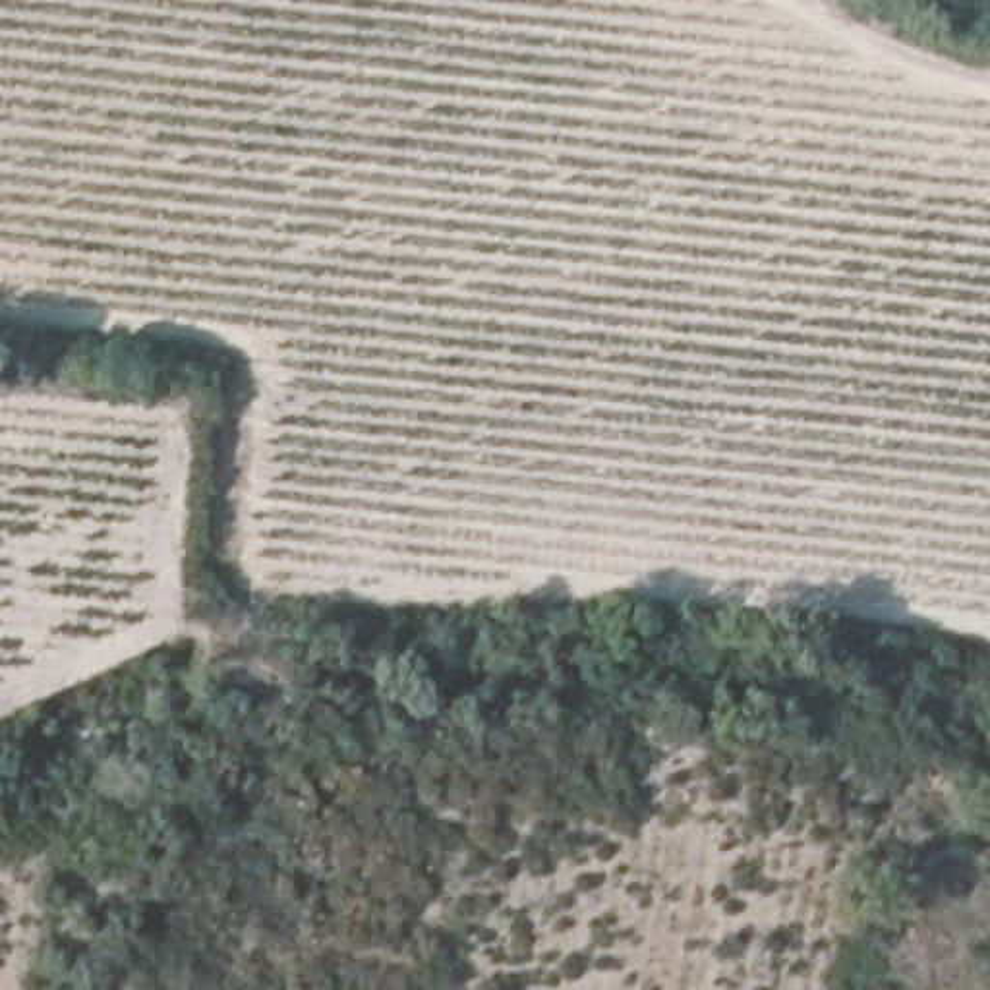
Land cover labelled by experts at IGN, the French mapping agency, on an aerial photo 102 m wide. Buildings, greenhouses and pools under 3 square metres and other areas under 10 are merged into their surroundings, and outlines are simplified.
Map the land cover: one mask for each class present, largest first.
<instances>
[{"label":"vineyard","instance_id":"1","mask_svg":"<svg viewBox=\"0 0 990 990\"><path fill-rule=\"evenodd\" d=\"M0 286L23 294H62L97 302L104 309V329L182 325L209 333L248 356L255 398L240 418V480L232 487L236 526L228 538V557L240 565L255 592H348L375 603H476L526 596L545 588L549 580H561L568 596L580 599L615 588H634L646 580L654 572L673 568L708 580V592L739 596L750 607L770 603L777 584H855L859 576H878L889 580V588L905 599L909 611L917 619L936 623L944 607L990 615V66H959L944 54L909 46L893 39L882 23L847 19L831 0H0ZM193 449L186 398L143 406L50 394L46 387L0 391V719L77 681L116 669L120 661L151 646L178 638V623L186 619L182 561Z\"/></svg>","mask_w":990,"mask_h":990},{"label":"deciduous trees","instance_id":"2","mask_svg":"<svg viewBox=\"0 0 990 990\"><path fill-rule=\"evenodd\" d=\"M847 19L882 23L893 39L909 46L944 54L959 66H990V0H831ZM46 387L50 394L143 406L186 398L193 449L182 561L186 619H201L209 626L228 615L251 619L248 638H259L255 657L290 669V677H282L278 684V696L267 704L263 719L275 727V743L298 746L302 739H367V712L379 700H398L410 715H433L437 696H468L480 719L487 727H499L507 723L514 692H541L553 696L557 708L580 712L588 688L603 692L619 677L642 681L654 673V681L665 692L700 712V739L692 746H704V762L677 770L669 777L673 785L708 777L712 797H739L750 804V824L762 835L781 828L793 808V785H812L839 812L882 824L913 777L971 770L990 777V642L936 623L917 619L909 611L901 619H835L828 607H801L793 599L770 603L750 607L739 596L708 592L704 599L677 607L673 599L657 596L646 580L634 588H615L580 599L568 596L561 580H549L545 588L526 596L476 603H375L348 592H255L240 565L228 557V538L236 526L232 487L240 480V418L255 398L248 356L209 333L182 325L104 329L39 325L19 306L0 309V391ZM220 673L213 661V646H193L178 638L151 646L120 661L116 669L77 681L0 719V866L39 855L58 824V804L89 797L101 762L124 758L147 770H170L178 754H186L189 762H213L217 746L201 743L182 727L189 715H201L213 727H228L232 715L248 712V700L240 692L209 688V681H217Z\"/></svg>","mask_w":990,"mask_h":990},{"label":"brushwood","instance_id":"3","mask_svg":"<svg viewBox=\"0 0 990 990\"><path fill-rule=\"evenodd\" d=\"M19 306L39 325L104 329V309L97 302L62 294H23L0 286V309ZM209 688L240 692L248 700V712L232 715L228 727H213L201 715H189L182 727L201 743L217 746L213 762H189L186 754H178L170 770H147L124 758L101 762L89 797L58 804V824L39 855L46 862V886L39 893L43 928L23 990H464L472 975V951L483 940H495V932L487 924L441 928L425 920V909L445 889L449 855L468 851V874L495 870L507 882H514L518 874H553L557 862L588 859V851L611 859L626 835L642 831V824L654 812L650 770L669 750L692 746L700 739V712L665 692L654 681V673L642 681L619 677L603 692L588 688L580 712L557 708L553 696L541 692H514L507 723L499 727H487L480 719L468 696H437L433 715H410L398 700H379L367 712V739H302L298 746L275 743V727L263 719L267 704L278 696V684H267L251 673H220L217 681H209ZM793 808L781 828L808 831L816 843H824L828 866H839L843 843H862L866 851L851 862L843 878V893L855 905L859 932L839 936V955L828 967L824 990H901V982L889 971V955L909 936L905 909H932L947 897H967L978 882V855L990 851V777L971 770L913 777L882 824L839 812L812 785H793Z\"/></svg>","mask_w":990,"mask_h":990},{"label":"herbaceous vegetation","instance_id":"4","mask_svg":"<svg viewBox=\"0 0 990 990\"><path fill-rule=\"evenodd\" d=\"M251 619L228 615L209 626L201 619H186L178 623V638L193 646H213V661L220 673H251L267 684H278L282 677H290V669L255 657L259 638H248ZM704 762V746H692L669 750L650 770L654 812L642 824V831L626 835L611 859L588 851V859L557 862L553 874H518L514 882H507L495 870L468 874V851L449 855L445 889L425 909V920L441 928L487 924L495 932V940H483L472 951V975L464 990H824L828 967L839 955V936L859 932L855 905L843 893V878L851 862L866 851L862 843H843L839 866H828L824 843H816L808 831L781 828L762 835L750 824V804L739 797H712L708 777L673 785L669 777L677 770ZM978 882L967 897H947L932 909H905L909 936L889 955V971L901 982V990H990V851L978 855Z\"/></svg>","mask_w":990,"mask_h":990},{"label":"plowed land","instance_id":"5","mask_svg":"<svg viewBox=\"0 0 990 990\"><path fill-rule=\"evenodd\" d=\"M657 596L673 599L677 607L704 599L708 592V580L673 568L654 572L646 580ZM793 599L801 607H828L835 619H901L909 611L905 599L889 588V580L878 576H859L855 584H777L770 603ZM936 623L990 642V615L944 607Z\"/></svg>","mask_w":990,"mask_h":990},{"label":"pervious surface","instance_id":"6","mask_svg":"<svg viewBox=\"0 0 990 990\"><path fill-rule=\"evenodd\" d=\"M46 886V862L39 855L0 866V990H23L43 928L39 893Z\"/></svg>","mask_w":990,"mask_h":990}]
</instances>
